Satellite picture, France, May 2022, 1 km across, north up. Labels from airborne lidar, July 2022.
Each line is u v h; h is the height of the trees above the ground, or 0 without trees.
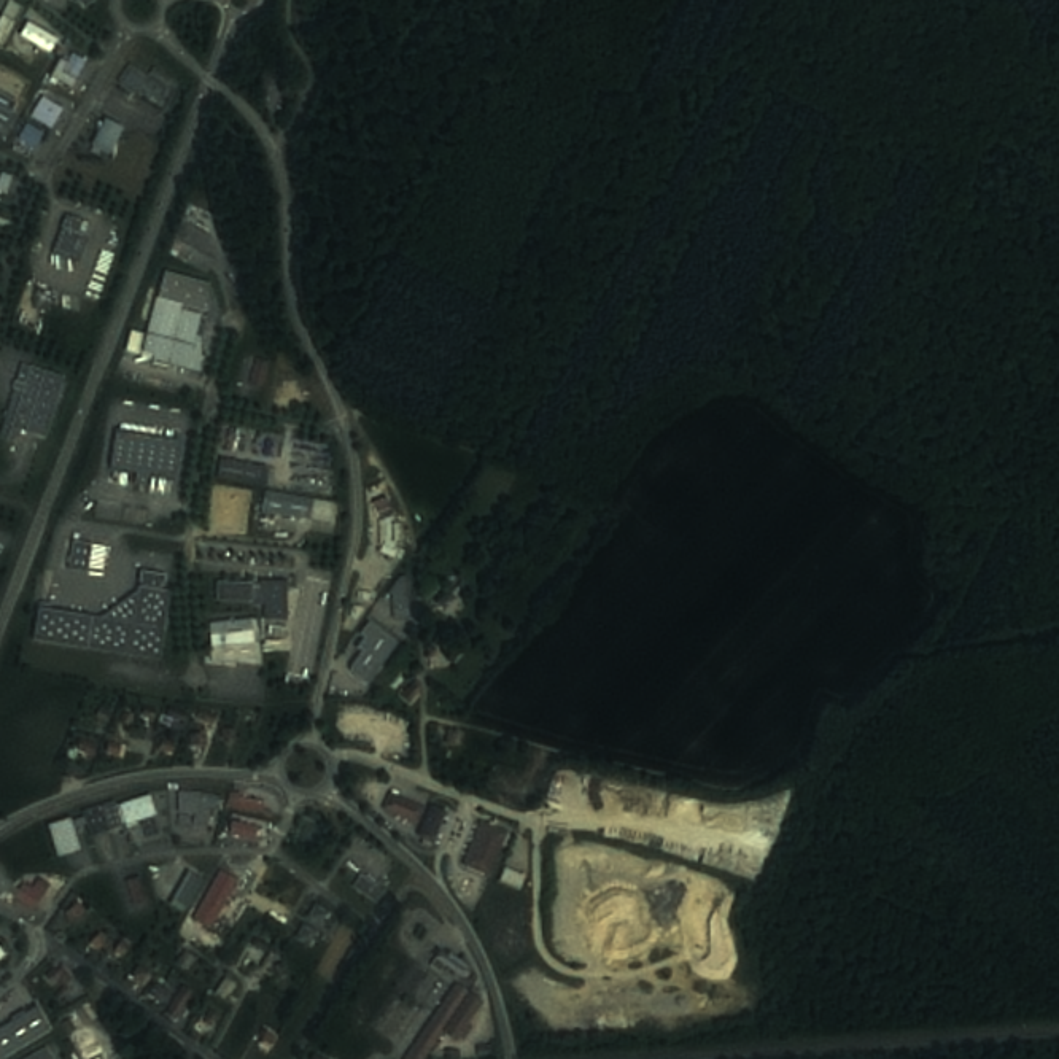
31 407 0
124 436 0
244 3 0
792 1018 21
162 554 0
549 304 25
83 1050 0
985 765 14
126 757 0
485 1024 0
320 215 28
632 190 25
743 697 0
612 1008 0
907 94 15
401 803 0
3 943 9
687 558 0
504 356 28
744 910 14
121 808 0
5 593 0
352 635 0
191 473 11
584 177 27
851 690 0
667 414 13
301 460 0
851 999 29
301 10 16
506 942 0
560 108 13
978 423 22
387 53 29
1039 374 24
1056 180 7
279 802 0
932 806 13
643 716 0
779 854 19
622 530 0
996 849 13
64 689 0
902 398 21
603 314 23
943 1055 17
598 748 0
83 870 0
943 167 18
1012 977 25
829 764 18
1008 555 15
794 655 0
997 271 21
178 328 0
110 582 0
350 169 27
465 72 28
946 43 17
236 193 24
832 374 26
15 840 0
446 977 0
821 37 18
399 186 7
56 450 0
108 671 0
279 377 0
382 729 0
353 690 0
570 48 13
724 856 0
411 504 0
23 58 0
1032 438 17
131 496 0
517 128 15
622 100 22
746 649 0
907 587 0
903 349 18
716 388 16
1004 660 15
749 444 0
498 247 16
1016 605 13
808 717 0
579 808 0
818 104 18
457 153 18
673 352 21
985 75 19
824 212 24
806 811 24
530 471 16
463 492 10
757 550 0
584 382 21
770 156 22
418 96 27
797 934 22
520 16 23
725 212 19
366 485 0
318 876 0
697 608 0
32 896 0
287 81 12
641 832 0
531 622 12
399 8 22
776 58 15
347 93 27
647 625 0
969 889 20
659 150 21
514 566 23
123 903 0
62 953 0
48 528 0
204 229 0
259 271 24
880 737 14
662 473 0
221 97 12
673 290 21
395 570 0
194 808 0
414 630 13
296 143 15
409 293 19
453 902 0
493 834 0
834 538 0
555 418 23
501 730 0
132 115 0
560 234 30
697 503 0
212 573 0
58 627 0
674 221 17
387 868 0
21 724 0
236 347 14
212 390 0
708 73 17
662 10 9
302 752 14
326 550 9
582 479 16
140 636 0
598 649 0
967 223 20
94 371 0
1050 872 15
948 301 22
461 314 22
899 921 23
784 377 16
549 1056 15
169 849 0
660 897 0
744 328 21
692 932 0
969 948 21
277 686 10
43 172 0
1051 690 14
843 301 24
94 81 0
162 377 0
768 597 0
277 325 20
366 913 0
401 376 23
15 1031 0
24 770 0
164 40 0
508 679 0
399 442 0
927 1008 12
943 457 21
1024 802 16
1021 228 26
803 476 0
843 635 0
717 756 0
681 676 0
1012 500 19
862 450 22
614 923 0
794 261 18
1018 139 19
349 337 21
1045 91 20
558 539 22
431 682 10
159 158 9
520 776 0
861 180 17
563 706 0
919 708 16
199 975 6
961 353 20
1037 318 18
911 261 19
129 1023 22
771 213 17
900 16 14
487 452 20
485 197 16
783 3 18
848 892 27
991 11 19
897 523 0
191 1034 7
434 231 17
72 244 0
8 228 12
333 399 0
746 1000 0
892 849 24
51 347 9
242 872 0
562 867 0
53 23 11
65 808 0
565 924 0
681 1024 0
